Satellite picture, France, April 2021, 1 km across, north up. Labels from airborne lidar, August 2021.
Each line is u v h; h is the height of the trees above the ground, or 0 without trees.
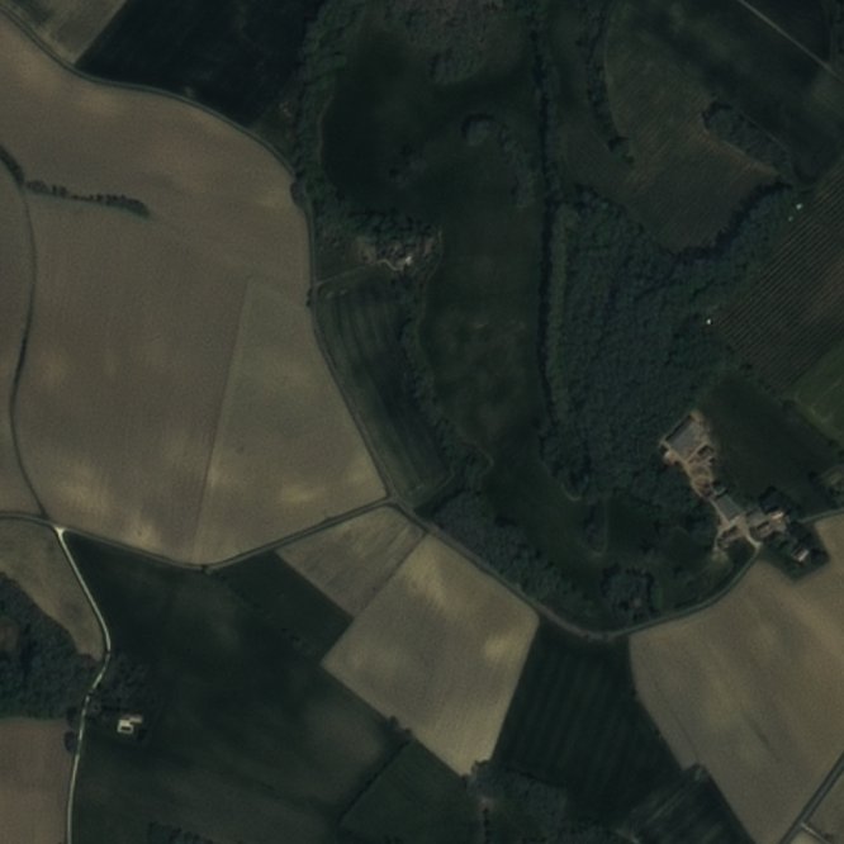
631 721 0
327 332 0
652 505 11
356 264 0
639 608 0
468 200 0
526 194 19
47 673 25
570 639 0
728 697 0
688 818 0
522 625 0
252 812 0
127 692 13
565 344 15
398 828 0
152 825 6
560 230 30
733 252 28
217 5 0
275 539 0
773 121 0
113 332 0
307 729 0
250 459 0
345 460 0
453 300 0
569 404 22
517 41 0
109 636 0
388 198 0
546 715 0
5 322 0
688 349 13
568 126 0
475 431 0
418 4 8
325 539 0
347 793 0
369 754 0
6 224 0
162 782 0
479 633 0
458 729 0
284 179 0
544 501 0
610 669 0
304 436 0
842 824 0
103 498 0
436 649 0
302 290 0
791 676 0
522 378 0
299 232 0
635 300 9
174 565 0
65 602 0
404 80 0
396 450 0
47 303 0
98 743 0
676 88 0
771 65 0
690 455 0
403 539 0
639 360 22
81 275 0
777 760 0
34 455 0
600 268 14
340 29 6
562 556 0
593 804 0
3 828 0
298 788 0
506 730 0
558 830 12
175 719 0
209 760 0
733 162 0
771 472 0
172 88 0
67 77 0
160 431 0
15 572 0
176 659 0
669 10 0
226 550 0
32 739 0
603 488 30
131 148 0
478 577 0
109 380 0
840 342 0
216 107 0
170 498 0
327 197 17
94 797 0
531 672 0
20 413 0
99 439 0
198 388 0
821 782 0
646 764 0
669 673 0
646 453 17
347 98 0
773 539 9
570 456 8
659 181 0
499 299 0
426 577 0
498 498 0
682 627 0
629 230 17
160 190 0
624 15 0
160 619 0
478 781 15
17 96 0
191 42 0
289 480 0
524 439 0
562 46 0
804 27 0
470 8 8
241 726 0
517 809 0
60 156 0
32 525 0
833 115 0
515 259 0
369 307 0
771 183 0
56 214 0
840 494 8
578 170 0
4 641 0
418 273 10
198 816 0
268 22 0
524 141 0
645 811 0
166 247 0
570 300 24
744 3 0
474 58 17
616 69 0
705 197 0
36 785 0
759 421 0
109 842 0
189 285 0
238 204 0
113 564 0
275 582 0
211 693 0
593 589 0
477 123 16
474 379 0
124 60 0
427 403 23
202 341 0
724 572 0
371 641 0
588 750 0
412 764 0
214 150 0
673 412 17
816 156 0
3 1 0
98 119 0
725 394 0
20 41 0
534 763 0
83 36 0
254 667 0
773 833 0
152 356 0
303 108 7
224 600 0
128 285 0
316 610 0
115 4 0
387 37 0
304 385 0
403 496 0
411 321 10
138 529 0
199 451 0
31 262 0
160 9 0
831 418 0
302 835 0
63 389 0
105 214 0
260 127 0
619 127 0
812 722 0
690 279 24
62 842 0
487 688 0
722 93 0
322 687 0
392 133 0
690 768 0
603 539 21
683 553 0
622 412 26
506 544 24
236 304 0
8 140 0
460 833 0
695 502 9
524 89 0
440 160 0
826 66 0
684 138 0
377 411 0
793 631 0
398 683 0
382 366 0
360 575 0
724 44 0
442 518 15
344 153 0
